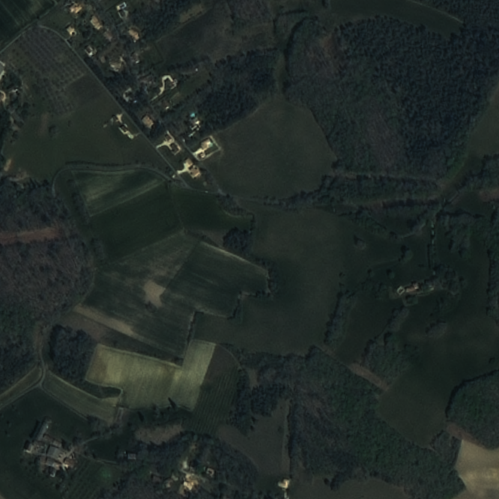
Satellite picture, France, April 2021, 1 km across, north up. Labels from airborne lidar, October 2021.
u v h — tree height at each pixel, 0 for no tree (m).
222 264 0
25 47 12
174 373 0
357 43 15
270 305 0
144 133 17
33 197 21
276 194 0
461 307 0
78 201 14
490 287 14
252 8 15
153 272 0
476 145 0
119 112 0
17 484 0
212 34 0
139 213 0
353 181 10
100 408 0
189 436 10
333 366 12
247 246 6
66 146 0
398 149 21
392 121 21
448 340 0
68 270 16
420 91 11
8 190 22
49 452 0
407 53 9
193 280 0
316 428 18
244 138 0
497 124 0
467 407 26
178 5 16
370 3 0
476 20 9
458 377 0
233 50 0
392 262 0
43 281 16
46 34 8
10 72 8
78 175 0
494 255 22
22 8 0
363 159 20
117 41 10
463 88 9
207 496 22
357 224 9
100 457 0
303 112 0
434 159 20
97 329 0
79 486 7
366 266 0
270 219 0
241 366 13
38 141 0
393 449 24
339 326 19
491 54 19
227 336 0
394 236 12
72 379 11
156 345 0
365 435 24
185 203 0
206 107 18
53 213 19
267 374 20
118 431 17
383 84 13
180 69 18
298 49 26
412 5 0
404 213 22
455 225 21
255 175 0
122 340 0
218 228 0
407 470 24
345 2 0
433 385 0
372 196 19
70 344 21
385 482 11
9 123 6
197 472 19
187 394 0
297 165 0
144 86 12
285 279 0
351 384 20
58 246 18
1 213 17
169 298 0
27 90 0
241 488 24
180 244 0
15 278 16
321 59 19
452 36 0
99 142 0
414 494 9
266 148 0
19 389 0
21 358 14
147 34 15
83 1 9
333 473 17
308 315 0
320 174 0
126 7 0
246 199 0
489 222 11
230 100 10
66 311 22
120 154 0
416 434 0
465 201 0
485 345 0
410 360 6
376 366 23
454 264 0
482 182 21
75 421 0
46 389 0
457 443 16
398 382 0
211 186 10
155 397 0
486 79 18
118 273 0
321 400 21
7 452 0
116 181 0
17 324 23
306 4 0
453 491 19
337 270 0
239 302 7
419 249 0
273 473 0
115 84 18
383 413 0
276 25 12
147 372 0
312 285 0
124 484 12
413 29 9
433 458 19
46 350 0
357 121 20
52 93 10
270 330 0
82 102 0
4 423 0
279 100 0
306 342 0
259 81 25
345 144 21
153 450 13
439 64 9
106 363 0
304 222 0
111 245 0
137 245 0
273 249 0
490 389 22
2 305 18
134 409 0
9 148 0
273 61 22
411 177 22
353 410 22
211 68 21
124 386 0
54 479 0
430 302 0
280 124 0
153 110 10
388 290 0
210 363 0
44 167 0
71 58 8
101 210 0
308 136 0
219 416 7
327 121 20
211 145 0
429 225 14
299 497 0
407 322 0
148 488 18
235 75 19
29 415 0
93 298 0
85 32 10
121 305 0
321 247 0
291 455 13
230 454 17
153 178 0
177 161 0
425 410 0
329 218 0
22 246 17
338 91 21
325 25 0
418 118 14
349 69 16
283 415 0
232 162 0
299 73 23
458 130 19
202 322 0
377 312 0
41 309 18
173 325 0
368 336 0
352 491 0
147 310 12
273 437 0
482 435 22
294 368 19
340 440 19
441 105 7
